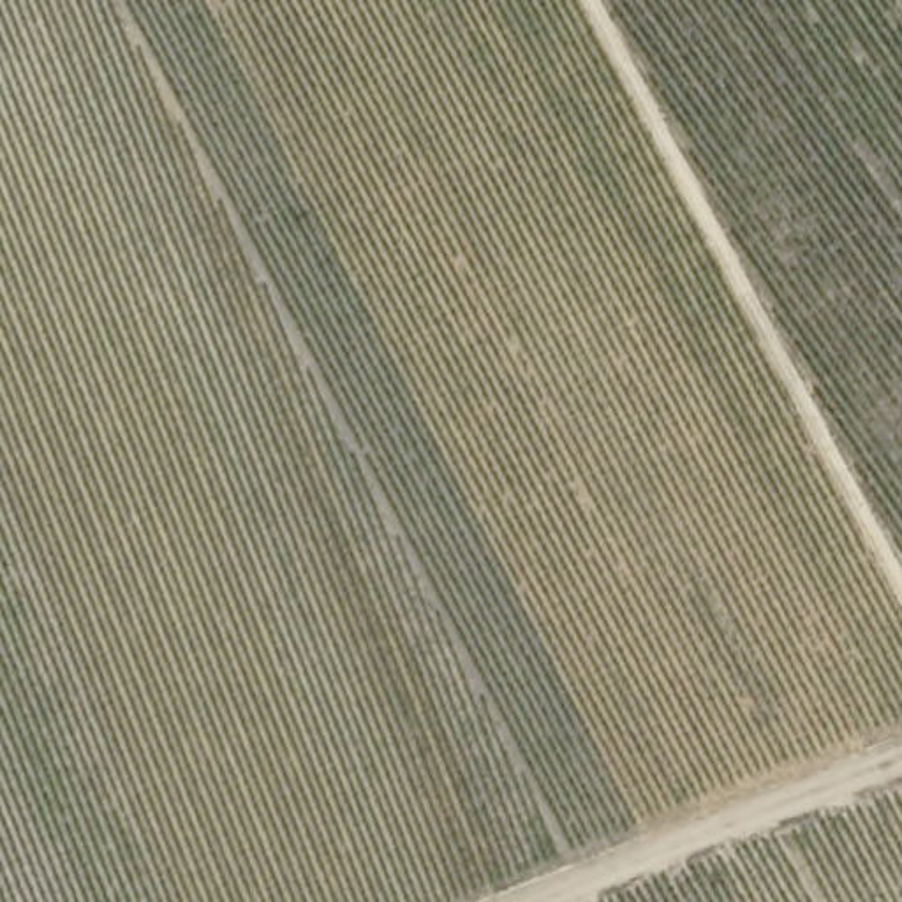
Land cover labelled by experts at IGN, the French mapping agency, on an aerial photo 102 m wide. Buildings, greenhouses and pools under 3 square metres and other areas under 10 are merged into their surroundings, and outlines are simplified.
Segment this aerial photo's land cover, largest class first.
<instances>
[{"label":"vineyard","instance_id":"1","mask_svg":"<svg viewBox=\"0 0 902 902\"><path fill-rule=\"evenodd\" d=\"M902 743V603L891 592L874 550L867 546L817 444L810 440L789 388L775 373L754 324L747 321L736 292L729 289L722 264L715 261L698 218L691 215L662 152L652 141V130L645 127L606 46L599 42L581 0H0V902H472L486 891L521 884L550 867L592 863L603 849L627 842L631 832H669L687 821L719 814L733 803L772 793L779 786L803 782L832 768L835 761L867 754L870 747ZM610 18L624 32L634 60L641 63V78L648 81L659 109L666 113L680 141V152L701 180L705 197L715 218L722 222L729 243L736 247L754 289L768 299V314L782 331L793 363L810 373L814 402L821 405L835 444L842 447L860 479L863 497L870 500L895 553L902 557V0H603ZM599 902H902V775L860 789L853 807L807 810L796 817H782L765 835L705 846L687 856L684 870L631 877L624 884L599 891Z\"/></svg>","mask_w":902,"mask_h":902},{"label":"pervious surface","instance_id":"2","mask_svg":"<svg viewBox=\"0 0 902 902\"><path fill-rule=\"evenodd\" d=\"M599 42L606 46L645 127L652 130V141L662 152L691 215L698 218L715 261L722 264L729 289L736 292L747 321L754 324L775 373L789 388L810 440L817 444L867 546L874 550L891 592L902 603V557L895 553L870 500L863 497L860 479L842 447L835 444L821 405L814 402L810 373L793 363L782 331L768 314V299L754 289L736 247L729 243L722 222L715 218L705 197L701 180L680 152V141L666 113L659 109L648 81L641 78V63L634 60L624 32L610 18L603 0H581ZM902 775V743L870 747L867 754L835 761L832 768L803 782L779 786L772 793L733 803L719 814L687 821L669 832H631L627 842L603 849L592 863L550 867L521 884L486 891L472 902H599V891L624 884L631 877L684 870L687 856L705 846L765 835L782 817H796L807 810L853 807L860 789Z\"/></svg>","mask_w":902,"mask_h":902}]
</instances>
